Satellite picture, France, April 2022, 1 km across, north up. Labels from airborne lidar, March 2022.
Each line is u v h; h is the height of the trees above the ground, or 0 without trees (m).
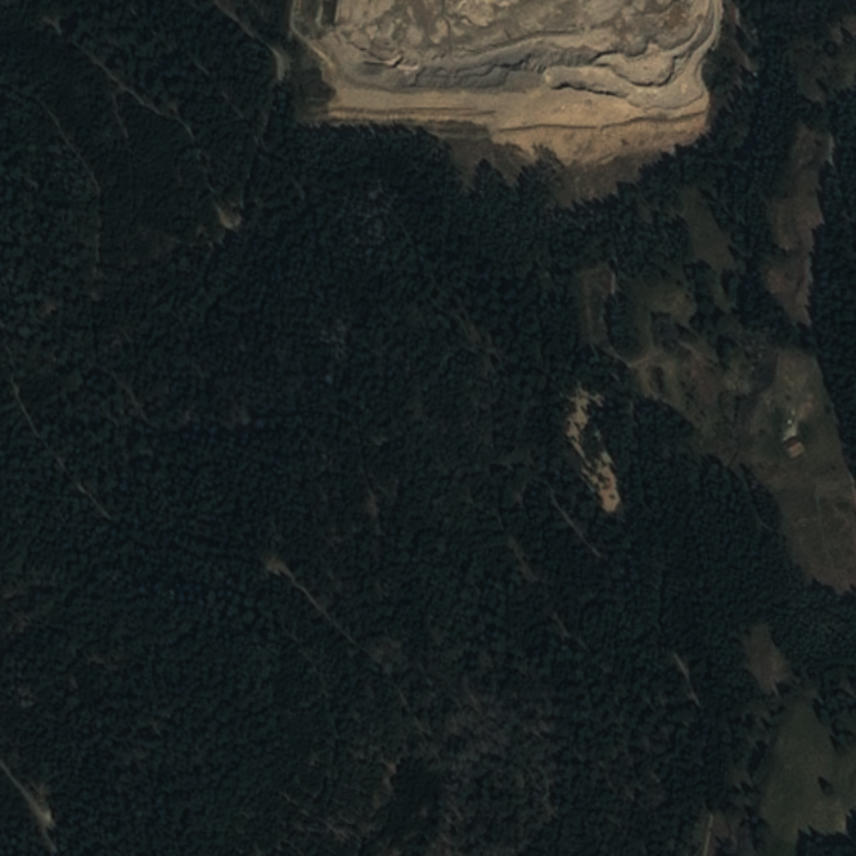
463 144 0
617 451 27
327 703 21
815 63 0
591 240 31
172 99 15
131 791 30
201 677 28
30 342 12
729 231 32
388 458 29
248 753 19
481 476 20
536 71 0
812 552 0
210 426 25
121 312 28
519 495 19
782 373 0
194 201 22
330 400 25
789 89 32
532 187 28
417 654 26
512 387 27
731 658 22
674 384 0
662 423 29
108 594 29
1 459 24
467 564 12
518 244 28
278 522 21
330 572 26
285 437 31
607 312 0
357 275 20
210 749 28
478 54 0
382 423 27
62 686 11
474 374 24
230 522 24
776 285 0
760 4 28
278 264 19
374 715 21
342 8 0
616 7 0
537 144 0
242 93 26
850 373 34
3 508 23
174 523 23
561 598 15
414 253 29
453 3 0
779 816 0
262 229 24
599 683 17
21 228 36
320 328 27
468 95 0
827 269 27
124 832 28
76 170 25
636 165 0
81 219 12
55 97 16
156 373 18
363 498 24
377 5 0
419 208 30
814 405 0
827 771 0
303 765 13
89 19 31
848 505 0
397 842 12
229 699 26
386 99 0
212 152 31
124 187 16
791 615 28
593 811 28
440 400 30
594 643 13
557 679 19
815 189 0
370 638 21
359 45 0
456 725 22
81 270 14
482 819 19
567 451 19
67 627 10
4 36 16
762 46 22
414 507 23
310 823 16
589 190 0
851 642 25
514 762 31
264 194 34
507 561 26
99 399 34
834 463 0
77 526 27
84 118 19
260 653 27
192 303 25
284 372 27
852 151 27
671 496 31
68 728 10
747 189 35
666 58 0
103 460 32
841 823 0
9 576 18
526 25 0
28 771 9
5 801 18
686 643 33
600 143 0
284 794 21
